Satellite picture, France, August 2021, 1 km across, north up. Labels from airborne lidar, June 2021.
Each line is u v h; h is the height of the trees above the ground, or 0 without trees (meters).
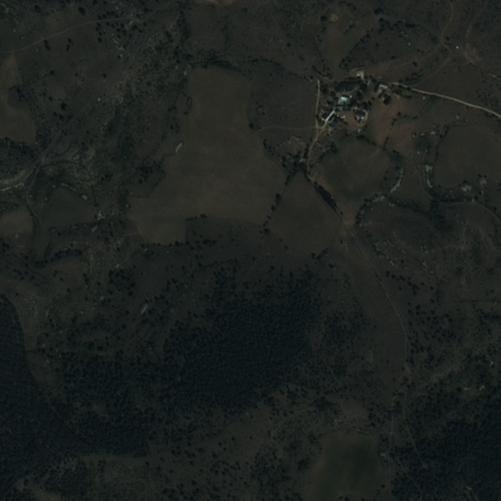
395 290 0
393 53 0
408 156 0
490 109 0
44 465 13
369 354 0
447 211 0
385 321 0
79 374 10
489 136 0
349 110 6
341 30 0
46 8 0
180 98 0
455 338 7
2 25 0
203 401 9
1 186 0
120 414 7
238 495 0
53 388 0
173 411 5
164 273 0
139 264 0
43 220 0
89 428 8
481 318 8
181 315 0
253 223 0
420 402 9
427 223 0
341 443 0
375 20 0
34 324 0
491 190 0
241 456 0
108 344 9
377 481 0
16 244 0
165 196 0
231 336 7
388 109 0
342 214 6
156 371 7
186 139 0
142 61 0
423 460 11
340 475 0
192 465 6
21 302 0
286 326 7
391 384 0
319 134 0
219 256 0
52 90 0
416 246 0
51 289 0
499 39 0
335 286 0
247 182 0
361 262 0
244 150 0
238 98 0
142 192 0
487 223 0
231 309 8
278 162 0
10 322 12
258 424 0
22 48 0
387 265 0
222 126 0
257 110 0
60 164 0
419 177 0
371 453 0
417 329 0
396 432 0
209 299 11
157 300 9
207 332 7
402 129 0
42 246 0
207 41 0
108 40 0
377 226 0
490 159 0
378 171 0
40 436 13
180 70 0
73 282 0
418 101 0
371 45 0
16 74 0
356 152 0
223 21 0
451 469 13
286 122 0
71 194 0
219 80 0
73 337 8
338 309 0
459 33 0
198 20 0
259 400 7
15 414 14
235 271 8
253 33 0
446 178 0
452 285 0
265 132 0
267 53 0
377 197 7
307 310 7
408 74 0
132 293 9
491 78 0
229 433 0
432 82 0
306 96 0
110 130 7
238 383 8
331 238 0
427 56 0
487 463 12
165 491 6
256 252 0
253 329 9
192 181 0
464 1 0
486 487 8
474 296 0
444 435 6
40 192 0
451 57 0
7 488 13
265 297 8
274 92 0
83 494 12
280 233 0
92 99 0
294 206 0
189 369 10
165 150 0
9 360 11
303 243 0
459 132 0
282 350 8
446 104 0
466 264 0
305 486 0
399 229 0
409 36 0
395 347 0
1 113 0
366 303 0
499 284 0
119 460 0
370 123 0
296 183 0
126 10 0
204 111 0
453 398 11
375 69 0
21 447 13
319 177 0
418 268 0
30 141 0
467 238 0
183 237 0
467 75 0
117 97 0
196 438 0
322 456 0
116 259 0
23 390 12
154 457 0
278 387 6
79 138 0
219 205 0
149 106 0
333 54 0
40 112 0
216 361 9
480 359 11
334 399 0
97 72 0
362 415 0
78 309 0
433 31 0
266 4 0
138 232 0
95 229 0
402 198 0
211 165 0
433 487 10
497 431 8
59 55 0
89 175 0
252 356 6
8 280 0
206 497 0
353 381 0
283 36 0
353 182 0
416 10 0
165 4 0
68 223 0
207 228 0
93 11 0
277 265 0
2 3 0
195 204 0
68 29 0
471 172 0
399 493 8
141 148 0
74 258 0
